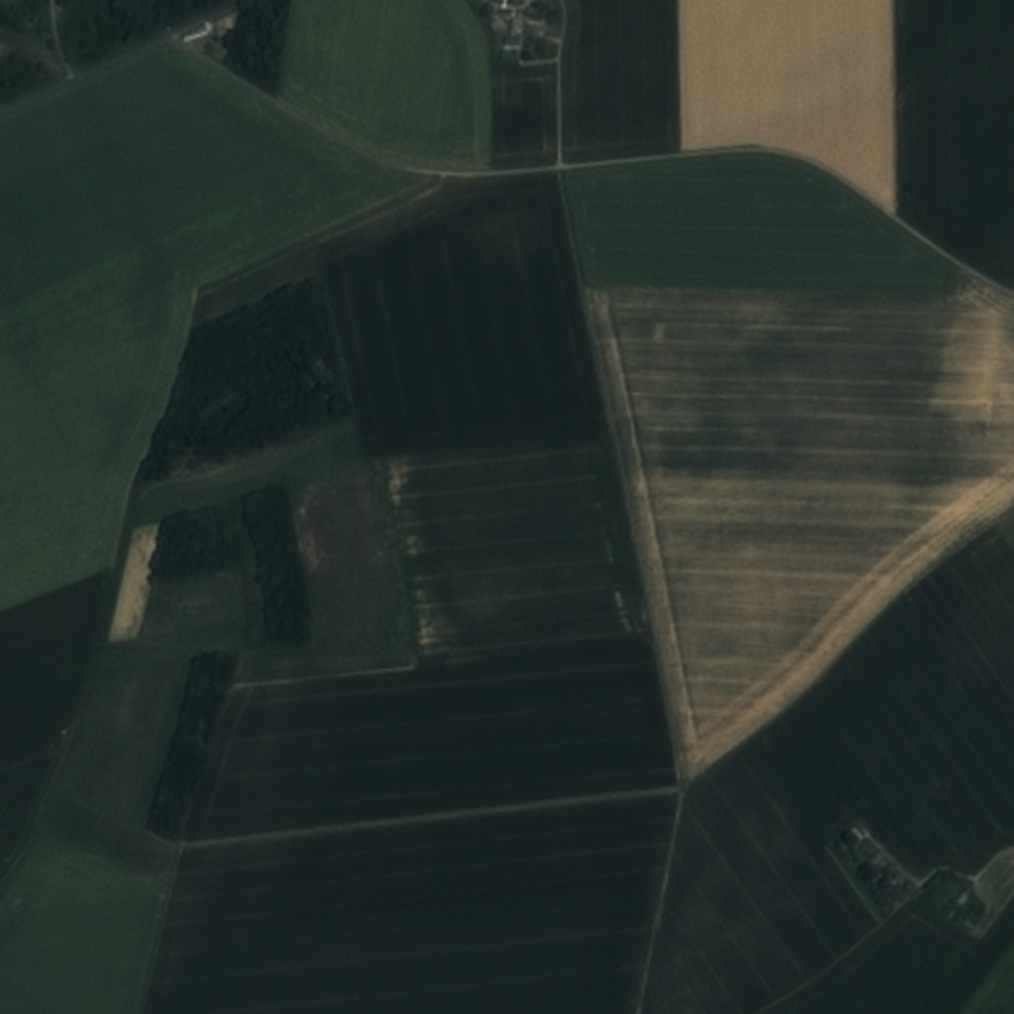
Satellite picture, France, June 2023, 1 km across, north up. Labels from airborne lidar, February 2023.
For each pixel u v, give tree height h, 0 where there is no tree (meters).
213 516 17
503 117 0
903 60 0
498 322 0
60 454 0
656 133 0
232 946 0
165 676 0
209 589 0
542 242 0
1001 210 0
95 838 0
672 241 0
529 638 0
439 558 0
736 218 0
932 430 0
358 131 0
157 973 0
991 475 0
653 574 0
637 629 0
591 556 0
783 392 0
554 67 0
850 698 0
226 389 19
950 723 0
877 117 0
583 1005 0
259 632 0
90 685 0
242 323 15
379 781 0
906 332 0
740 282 0
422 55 0
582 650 0
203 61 0
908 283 0
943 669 0
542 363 0
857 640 0
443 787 0
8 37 0
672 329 0
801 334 0
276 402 16
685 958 0
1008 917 0
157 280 0
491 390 0
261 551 10
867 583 0
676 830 0
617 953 0
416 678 0
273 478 0
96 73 0
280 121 0
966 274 0
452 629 0
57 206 0
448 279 0
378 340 0
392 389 0
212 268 0
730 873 0
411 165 0
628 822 0
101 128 0
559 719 0
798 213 0
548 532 0
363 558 0
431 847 0
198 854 0
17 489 0
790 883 0
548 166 0
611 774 0
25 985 0
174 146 0
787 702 0
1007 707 0
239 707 0
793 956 0
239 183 0
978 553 0
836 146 0
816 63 0
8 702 0
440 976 0
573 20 0
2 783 0
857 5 0
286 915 0
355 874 0
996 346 0
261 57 15
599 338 0
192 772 8
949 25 0
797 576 0
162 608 0
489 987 0
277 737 0
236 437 15
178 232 0
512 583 0
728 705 0
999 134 0
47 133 0
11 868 0
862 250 0
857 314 0
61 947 0
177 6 21
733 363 0
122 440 0
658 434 0
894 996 0
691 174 0
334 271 0
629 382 0
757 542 0
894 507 0
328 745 0
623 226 0
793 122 0
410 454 0
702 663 0
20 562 0
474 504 0
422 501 0
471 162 0
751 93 0
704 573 0
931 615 0
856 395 0
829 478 0
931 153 0
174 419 11
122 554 0
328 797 0
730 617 0
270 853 0
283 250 0
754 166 0
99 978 0
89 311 0
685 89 0
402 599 0
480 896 0
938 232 0
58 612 0
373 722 0
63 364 0
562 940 0
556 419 0
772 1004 0
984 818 0
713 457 0
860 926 0
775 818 0
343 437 0
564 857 0
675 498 0
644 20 0
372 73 0
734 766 0
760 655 0
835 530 0
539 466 0
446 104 0
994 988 0
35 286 0
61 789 0
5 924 0
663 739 0
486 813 0
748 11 0
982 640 0
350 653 0
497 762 0
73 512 0
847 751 0
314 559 0
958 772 0
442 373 0
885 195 0
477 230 0
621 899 0
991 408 0
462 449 0
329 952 0
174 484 0
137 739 0
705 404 0
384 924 0
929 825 0
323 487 0
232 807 0
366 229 0
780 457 0
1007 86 0
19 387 0
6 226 0
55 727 0
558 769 0
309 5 0
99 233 0
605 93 0
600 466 0
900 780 0
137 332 0
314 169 0
